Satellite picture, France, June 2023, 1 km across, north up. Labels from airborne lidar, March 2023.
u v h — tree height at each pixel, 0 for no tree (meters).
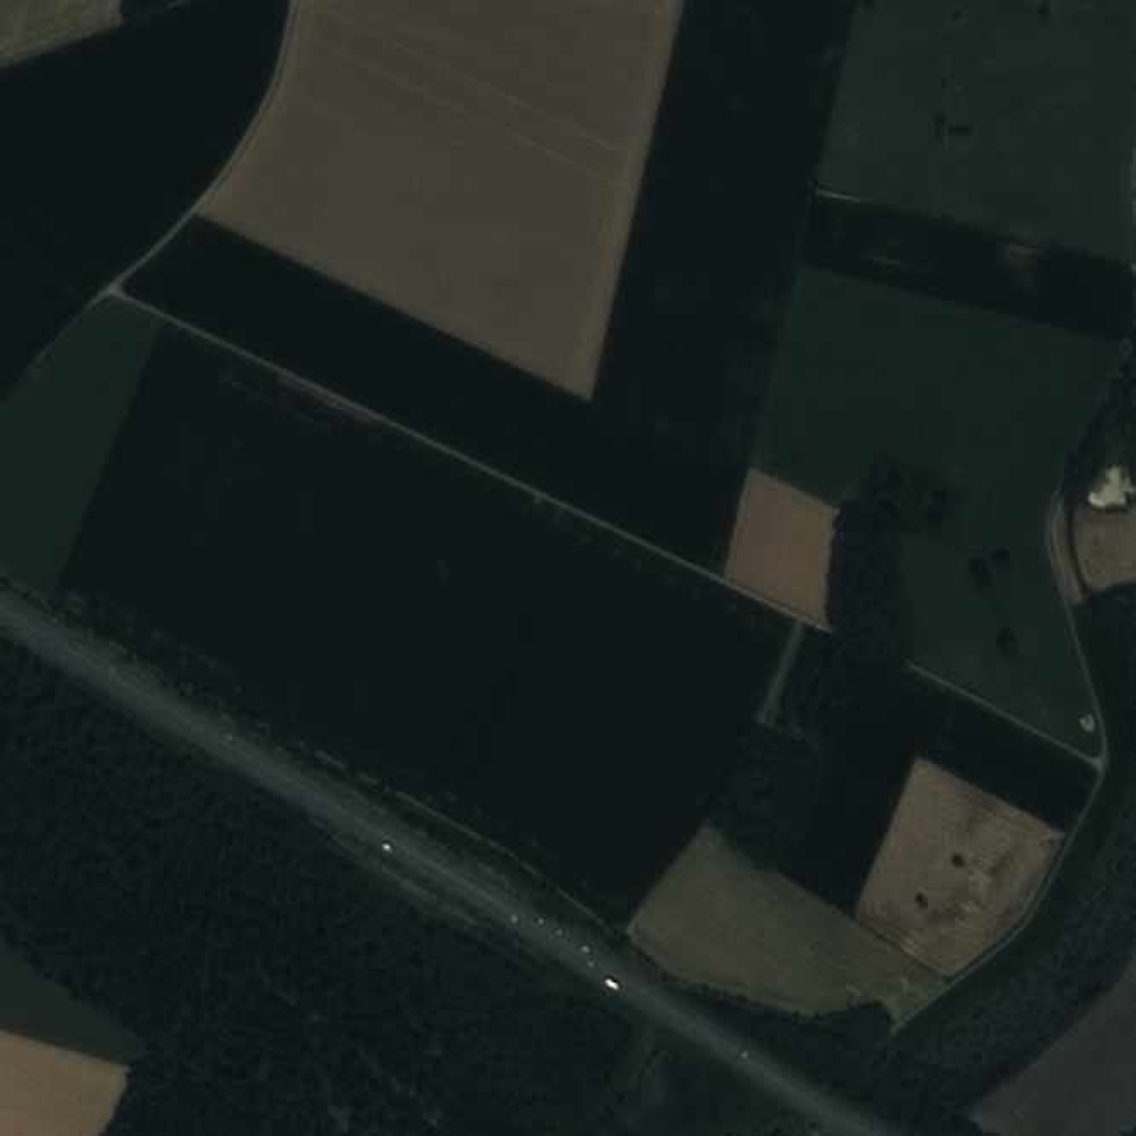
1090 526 0
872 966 0
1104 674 0
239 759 0
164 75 0
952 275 0
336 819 0
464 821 0
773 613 0
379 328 0
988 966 0
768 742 18
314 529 0
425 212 0
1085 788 0
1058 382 0
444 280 0
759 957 0
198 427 0
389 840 0
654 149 0
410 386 0
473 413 0
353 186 0
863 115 0
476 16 0
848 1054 12
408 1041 18
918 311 0
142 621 0
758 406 0
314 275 0
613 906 0
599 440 0
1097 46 0
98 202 0
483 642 0
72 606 0
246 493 0
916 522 0
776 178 0
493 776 0
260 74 0
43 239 0
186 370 0
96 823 21
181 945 12
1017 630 0
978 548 0
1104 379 0
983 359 0
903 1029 0
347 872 11
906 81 0
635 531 0
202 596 0
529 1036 15
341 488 0
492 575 0
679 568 0
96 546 0
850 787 0
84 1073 0
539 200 0
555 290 0
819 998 0
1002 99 0
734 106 0
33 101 0
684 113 0
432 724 0
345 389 0
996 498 0
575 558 0
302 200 0
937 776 0
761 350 0
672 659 0
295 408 0
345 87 0
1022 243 0
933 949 0
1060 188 0
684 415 0
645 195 0
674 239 0
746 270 0
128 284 0
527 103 0
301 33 0
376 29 0
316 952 17
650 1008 0
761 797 25
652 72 0
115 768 11
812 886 0
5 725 15
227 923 23
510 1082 13
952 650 0
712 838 0
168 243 0
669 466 0
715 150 0
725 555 0
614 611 0
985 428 0
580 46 0
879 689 0
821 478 0
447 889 0
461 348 0
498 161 0
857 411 0
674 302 0
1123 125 0
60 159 0
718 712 0
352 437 0
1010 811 0
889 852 0
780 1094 0
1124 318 0
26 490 0
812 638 15
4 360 0
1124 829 0
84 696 6
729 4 0
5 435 0
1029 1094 0
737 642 0
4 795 23
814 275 0
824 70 0
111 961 15
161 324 0
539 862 0
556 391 0
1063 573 0
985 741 0
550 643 0
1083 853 0
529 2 0
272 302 0
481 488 0
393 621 0
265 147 0
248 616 0
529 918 0
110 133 0
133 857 22
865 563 30
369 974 15
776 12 0
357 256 0
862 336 0
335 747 0
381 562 0
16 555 0
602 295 0
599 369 0
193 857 8
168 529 0
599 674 0
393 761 0
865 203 0
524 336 0
